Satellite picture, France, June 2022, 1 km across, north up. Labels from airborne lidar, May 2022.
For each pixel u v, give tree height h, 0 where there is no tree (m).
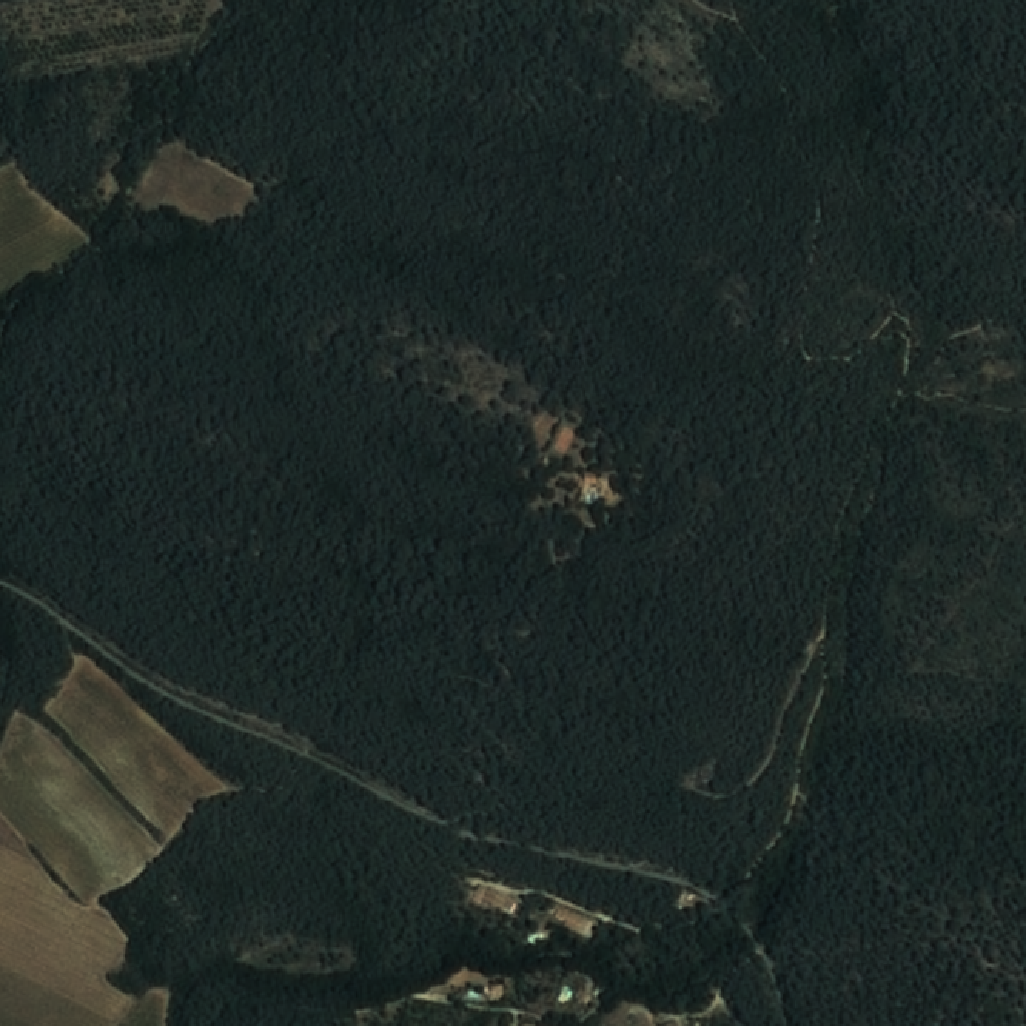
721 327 6
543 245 14
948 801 8
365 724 18
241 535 6
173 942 15
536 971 11
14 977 0
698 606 17
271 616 20
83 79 16
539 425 0
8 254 0
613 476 7
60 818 0
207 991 22
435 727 19
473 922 14
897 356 15
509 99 13
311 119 15
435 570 20
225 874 16
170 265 20
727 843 20
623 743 22
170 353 15
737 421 22
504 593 23
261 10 17
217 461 8
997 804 19
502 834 18
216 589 15
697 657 16
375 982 20
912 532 15
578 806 21
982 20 16
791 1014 17
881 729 11
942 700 9
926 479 11
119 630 14
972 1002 13
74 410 12
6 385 14
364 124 17
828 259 15
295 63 9
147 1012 0
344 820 14
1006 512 9
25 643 20
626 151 14
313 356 15
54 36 6
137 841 0
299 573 16
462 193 17
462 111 10
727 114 8
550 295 7
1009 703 10
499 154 8
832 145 13
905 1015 18
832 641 18
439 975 20
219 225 16
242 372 17
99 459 12
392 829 16
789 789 10
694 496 8
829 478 10
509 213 15
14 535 14
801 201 13
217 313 17
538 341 14
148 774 0
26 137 20
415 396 20
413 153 18
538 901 16
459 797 20
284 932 15
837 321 9
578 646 18
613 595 15
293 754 12
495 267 15
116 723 0
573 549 19
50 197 11
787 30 14
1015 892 7
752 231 13
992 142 10
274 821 10
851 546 11
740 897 30
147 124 22
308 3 7
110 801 0
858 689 15
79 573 18
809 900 20
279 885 14
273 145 15
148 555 16
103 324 18
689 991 10
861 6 14
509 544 10
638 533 14
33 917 0
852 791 17
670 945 20
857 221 12
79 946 0
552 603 19
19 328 20
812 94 15
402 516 19
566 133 9
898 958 18
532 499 9
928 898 15
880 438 17
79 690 0
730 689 15
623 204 8
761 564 13
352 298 21
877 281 11
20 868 0
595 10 8
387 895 11
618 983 17
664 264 7
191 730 16
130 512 16
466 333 22
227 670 16
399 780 18
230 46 10
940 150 18
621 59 10
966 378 9
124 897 16
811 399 18
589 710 10
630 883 14
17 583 7
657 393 16
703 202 13
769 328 8
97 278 19
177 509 19
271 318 19
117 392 15
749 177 16
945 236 14
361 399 17
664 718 16
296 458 19
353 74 7
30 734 0
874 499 12
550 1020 12
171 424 15
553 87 13
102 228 9
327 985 11
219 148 20
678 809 19
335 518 24
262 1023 20
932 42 17
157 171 0
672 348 13
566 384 19
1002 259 13
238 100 16
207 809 15
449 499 19
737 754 16
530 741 20
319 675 18
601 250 11
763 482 13
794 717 11
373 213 13
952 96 15
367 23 11
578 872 15
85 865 0
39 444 7
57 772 0
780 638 8
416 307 21
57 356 19
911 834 6
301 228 22
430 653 22
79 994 0
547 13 10
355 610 20
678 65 0
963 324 12
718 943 14
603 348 16
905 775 15
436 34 19
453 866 15
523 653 17
